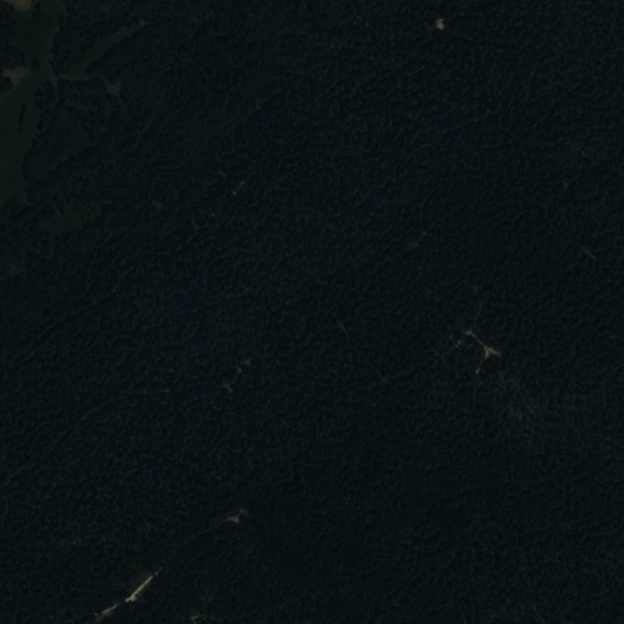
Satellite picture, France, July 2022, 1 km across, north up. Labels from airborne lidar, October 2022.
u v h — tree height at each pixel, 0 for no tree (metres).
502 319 19
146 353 7
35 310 26
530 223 19
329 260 22
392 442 31
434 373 20
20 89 0
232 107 22
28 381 21
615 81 11
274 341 25
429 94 19
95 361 24
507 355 20
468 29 25
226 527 14
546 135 8
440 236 19
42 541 18
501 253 12
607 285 21
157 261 20
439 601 19
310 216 27
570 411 6
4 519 20
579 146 14
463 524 29
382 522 22
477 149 20
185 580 22
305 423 26
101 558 11
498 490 27
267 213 30
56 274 15
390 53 35
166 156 26
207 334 22
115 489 33
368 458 27
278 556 21
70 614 18
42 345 23
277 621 20
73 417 22
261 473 14
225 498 13
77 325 27
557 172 14
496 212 17
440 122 12
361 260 22
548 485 23
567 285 19
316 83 26
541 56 23
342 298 20
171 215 23
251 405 22
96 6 20
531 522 28
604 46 14
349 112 30
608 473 21
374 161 31
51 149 23
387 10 29
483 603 14
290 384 20
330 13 21
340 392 16
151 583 0
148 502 19
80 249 25
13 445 19
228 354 27
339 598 21
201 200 7
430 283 12
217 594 17
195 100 20
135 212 12
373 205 22
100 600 12
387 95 29
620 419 16
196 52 10
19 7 0
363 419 27
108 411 12
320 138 33
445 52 22
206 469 27
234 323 16
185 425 30
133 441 22
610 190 19
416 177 21
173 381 21
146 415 25
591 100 20
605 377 24
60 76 17
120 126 25
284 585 6
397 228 17
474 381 20
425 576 28
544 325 19
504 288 16
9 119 0
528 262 19
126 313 31
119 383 7
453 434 20
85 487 28
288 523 25
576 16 27
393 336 13
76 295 28
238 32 19
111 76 24
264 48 23
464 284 22
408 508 21
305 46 22
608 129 18
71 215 0
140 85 22
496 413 13
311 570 25
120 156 9
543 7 29
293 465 9
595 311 22
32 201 18
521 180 13
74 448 24
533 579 23
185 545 27
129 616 25
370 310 19
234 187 18
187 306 31
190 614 17
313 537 23
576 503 24
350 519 21
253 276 30
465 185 18
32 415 25
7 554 6
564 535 23
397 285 12
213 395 26
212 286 24
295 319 24
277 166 22
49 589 20
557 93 24
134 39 11
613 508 23
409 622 21
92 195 23
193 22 27
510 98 24
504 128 17
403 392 31
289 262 19
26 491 21
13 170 0
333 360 20
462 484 24
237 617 21
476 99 27
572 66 20
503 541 20
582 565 21
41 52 0
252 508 30
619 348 19
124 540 19
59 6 0
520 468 22
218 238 38
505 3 7
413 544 22
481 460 21
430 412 17
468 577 18
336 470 24
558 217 20
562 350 22
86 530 18
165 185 20
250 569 20
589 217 23
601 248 18
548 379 17
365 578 20
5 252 34
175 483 16
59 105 26
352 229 26
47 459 24
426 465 26
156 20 13
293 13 12
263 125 23
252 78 24
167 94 22
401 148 29
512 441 19
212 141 22
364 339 12
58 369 25
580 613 19
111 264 17
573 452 16
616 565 19
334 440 21
